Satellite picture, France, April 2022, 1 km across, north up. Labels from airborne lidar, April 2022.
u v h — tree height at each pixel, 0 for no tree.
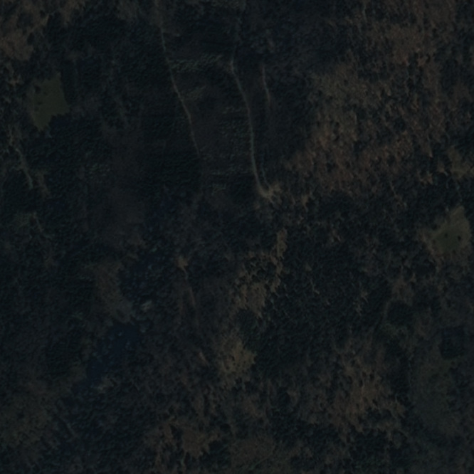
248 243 14
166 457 18
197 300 16
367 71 19
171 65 12
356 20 18
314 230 38
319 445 24
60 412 20
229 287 10
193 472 29
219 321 12
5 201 26
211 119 13
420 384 26
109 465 29
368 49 17
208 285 14
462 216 0
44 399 8
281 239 0
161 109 11
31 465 9
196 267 19
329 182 25
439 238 0
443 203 19
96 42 18
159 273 20
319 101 10
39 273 32
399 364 21
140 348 27
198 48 11
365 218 28
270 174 12
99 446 29
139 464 31
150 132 17
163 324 26
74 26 23
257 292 14
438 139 34
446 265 19
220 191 15
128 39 26
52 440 6
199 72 14
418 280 22
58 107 0
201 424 11
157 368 30
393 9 19
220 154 17
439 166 15
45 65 38
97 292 12
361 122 14
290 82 17
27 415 10
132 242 14
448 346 29
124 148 18
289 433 22
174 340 29
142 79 19
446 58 26
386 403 30
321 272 25
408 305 15
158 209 15
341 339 25
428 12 19
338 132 25
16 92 14
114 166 18
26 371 24
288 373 21
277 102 13
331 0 16
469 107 30
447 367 0
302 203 26
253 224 23
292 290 25
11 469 19
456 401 21
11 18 24
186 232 13
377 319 15
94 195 18
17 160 26
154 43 17
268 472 10
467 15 18
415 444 26
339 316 31
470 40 26
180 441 15
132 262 10
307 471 22
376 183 36
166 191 11
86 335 24
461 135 31
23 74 27
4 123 30
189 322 12
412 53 21
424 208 30
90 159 18
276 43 14
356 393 17
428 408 28
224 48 16
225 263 17
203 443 8
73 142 27
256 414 17
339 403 12
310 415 36
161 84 14
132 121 23
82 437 0
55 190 25
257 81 14
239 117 14
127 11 15
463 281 20
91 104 22
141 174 17
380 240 29
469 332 23
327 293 30
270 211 22
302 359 27
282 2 16
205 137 15
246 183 19
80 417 16
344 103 25
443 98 21
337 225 25
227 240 18
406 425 34
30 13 14
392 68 23
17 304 19
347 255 26
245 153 14
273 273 12
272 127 19
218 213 11
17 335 26
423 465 26
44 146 26
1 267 30
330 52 21
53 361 23
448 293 28
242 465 12
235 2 15
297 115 21
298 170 14
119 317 0
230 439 9
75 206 25
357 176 25
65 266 25
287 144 20
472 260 16
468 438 25
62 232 29
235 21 12
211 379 19
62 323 22
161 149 11
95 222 18
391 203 28
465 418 26
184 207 18
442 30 29
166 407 29
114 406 19
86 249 23
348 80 16
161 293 28
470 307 14
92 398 24
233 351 13
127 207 18
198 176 19
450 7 18
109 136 13
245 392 11
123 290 11
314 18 17
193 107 14
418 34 20
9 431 15
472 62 20
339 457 31
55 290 18
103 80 25
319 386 26
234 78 17
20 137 20
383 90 19
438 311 30
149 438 7
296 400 26
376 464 36
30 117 19
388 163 24
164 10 10
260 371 21
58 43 37
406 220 34
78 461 15
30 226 30
